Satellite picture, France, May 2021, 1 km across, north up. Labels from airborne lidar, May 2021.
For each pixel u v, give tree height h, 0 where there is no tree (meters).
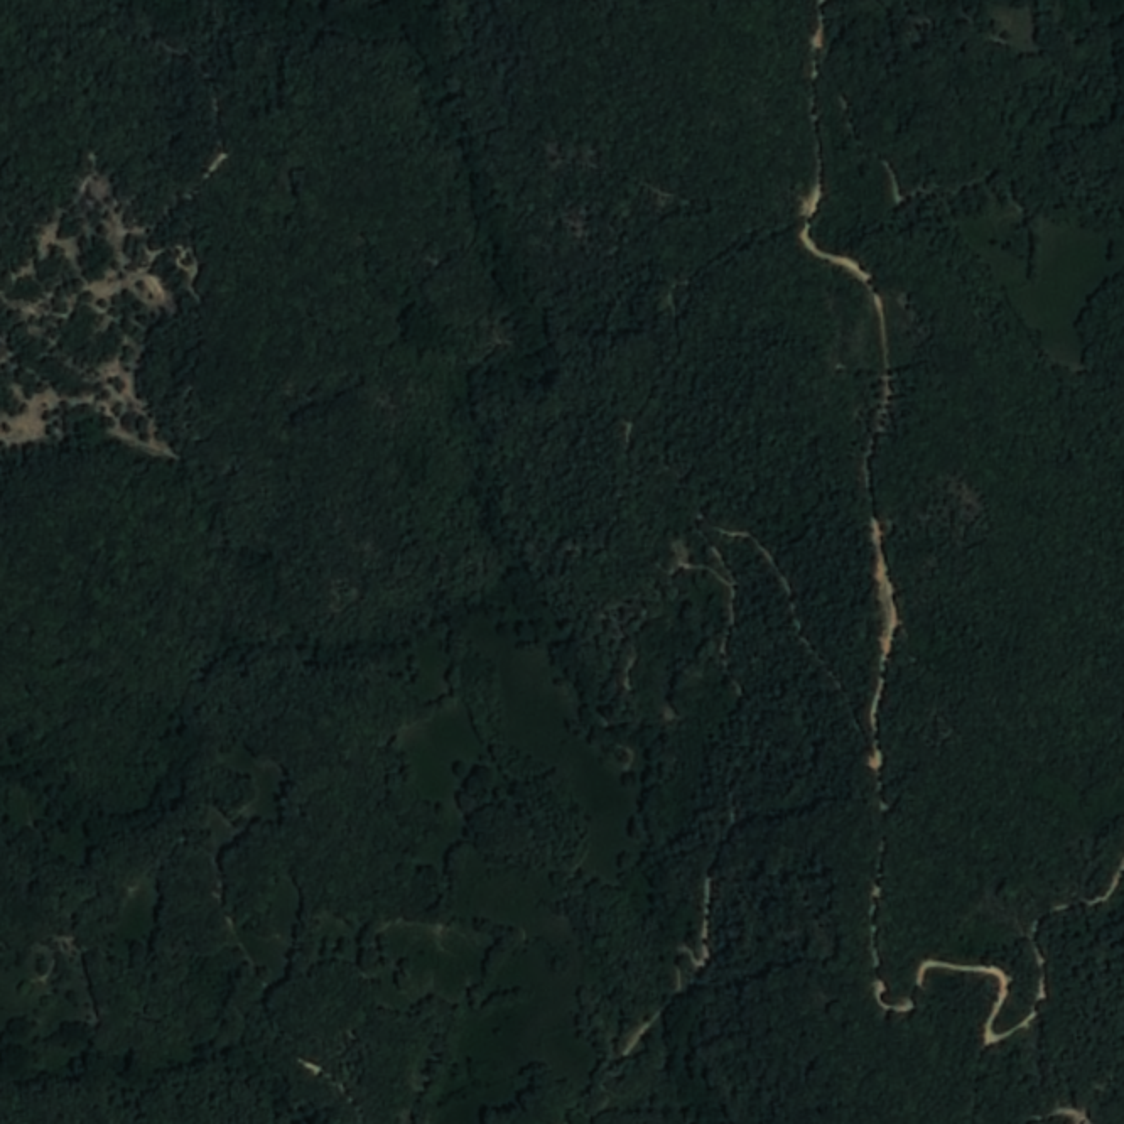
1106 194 13
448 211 11
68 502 17
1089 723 15
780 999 15
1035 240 11
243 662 16
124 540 17
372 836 20
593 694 19
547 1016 0
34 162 13
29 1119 20
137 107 18
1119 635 13
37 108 15
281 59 6
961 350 13
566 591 14
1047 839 10
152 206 8
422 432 8
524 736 0
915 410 15
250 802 11
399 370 6
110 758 13
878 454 12
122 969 14
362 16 24
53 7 16
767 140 7
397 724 15
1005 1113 15
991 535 9
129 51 18
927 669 9
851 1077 16
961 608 9
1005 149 15
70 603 15
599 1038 14
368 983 15
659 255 15
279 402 10
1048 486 12
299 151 19
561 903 8
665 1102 13
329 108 16
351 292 16
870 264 10
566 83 12
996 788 10
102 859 15
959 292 13
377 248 16
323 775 16
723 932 8
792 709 14
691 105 8
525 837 15
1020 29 0
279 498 9
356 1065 15
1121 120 17
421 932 0
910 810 19
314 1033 10
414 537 14
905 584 8
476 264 17
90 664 19
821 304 10
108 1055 20
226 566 14
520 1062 0
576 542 8
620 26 14
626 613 18
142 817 20
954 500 8
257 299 15
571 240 10
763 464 11
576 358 17
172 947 16
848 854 12
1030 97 11
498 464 15
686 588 13
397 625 14
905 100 12
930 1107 12
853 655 11
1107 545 12
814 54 12
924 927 12
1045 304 0
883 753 12
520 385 21
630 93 6
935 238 13
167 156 18
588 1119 11
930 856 19
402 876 19
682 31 12
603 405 11
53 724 14
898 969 12
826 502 17
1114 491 11
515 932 15
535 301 11
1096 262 0
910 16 20
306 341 18
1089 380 17
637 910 6
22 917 17
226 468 9
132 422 12
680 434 6
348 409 17
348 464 10
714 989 9
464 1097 8
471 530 13
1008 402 10
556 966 8
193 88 17
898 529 10
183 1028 18
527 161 12
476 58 16
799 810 11
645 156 11
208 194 16
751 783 10
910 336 6
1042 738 13
